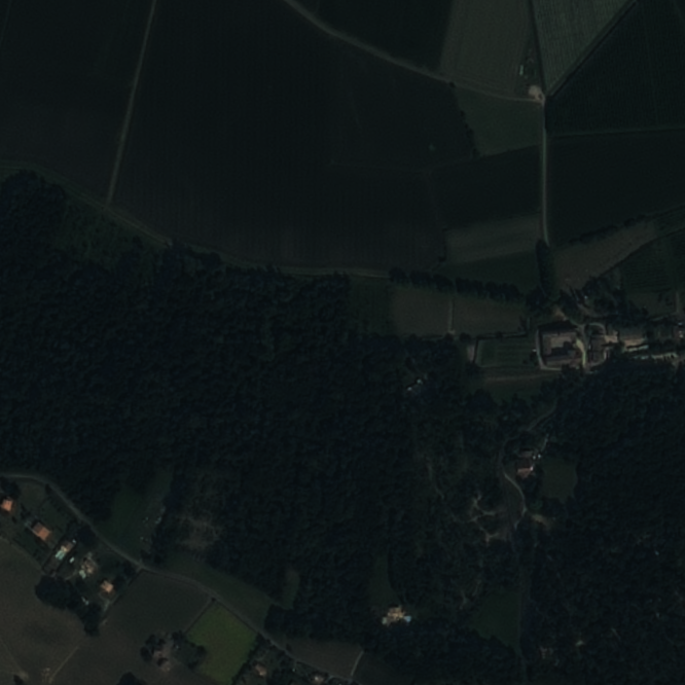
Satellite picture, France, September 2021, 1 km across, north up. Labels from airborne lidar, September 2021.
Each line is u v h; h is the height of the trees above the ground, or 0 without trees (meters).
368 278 0
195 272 7
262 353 32
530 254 0
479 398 0
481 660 15
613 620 26
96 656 0
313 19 0
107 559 0
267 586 16
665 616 22
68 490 16
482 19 0
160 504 0
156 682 0
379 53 0
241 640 0
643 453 25
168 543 18
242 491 13
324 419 8
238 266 0
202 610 0
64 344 25
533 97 0
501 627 0
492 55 0
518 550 13
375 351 26
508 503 0
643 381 20
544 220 0
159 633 0
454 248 0
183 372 30
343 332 23
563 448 10
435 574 20
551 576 26
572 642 25
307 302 18
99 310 30
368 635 8
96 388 20
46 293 28
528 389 0
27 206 24
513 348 0
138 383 26
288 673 7
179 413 27
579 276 0
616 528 24
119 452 28
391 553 13
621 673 24
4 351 9
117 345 8
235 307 18
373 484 24
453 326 0
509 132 0
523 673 16
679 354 6
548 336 0
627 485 24
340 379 27
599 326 0
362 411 20
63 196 20
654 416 29
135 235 0
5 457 21
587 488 25
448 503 24
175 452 23
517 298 23
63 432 7
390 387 19
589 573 30
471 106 0
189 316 26
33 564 0
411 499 21
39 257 24
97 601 0
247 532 25
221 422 15
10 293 27
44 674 0
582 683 11
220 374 16
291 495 8
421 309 0
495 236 0
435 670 27
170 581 0
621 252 0
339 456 30
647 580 13
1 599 0
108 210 0
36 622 0
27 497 0
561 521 22
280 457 15
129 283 25
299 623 24
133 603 0
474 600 11
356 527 25
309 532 19
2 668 0
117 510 0
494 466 13
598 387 17
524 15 0
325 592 13
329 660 0
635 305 0
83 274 13
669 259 0
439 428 13
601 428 23
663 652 29
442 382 19
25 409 12
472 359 0
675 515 24
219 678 0
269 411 11
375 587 0
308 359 16
